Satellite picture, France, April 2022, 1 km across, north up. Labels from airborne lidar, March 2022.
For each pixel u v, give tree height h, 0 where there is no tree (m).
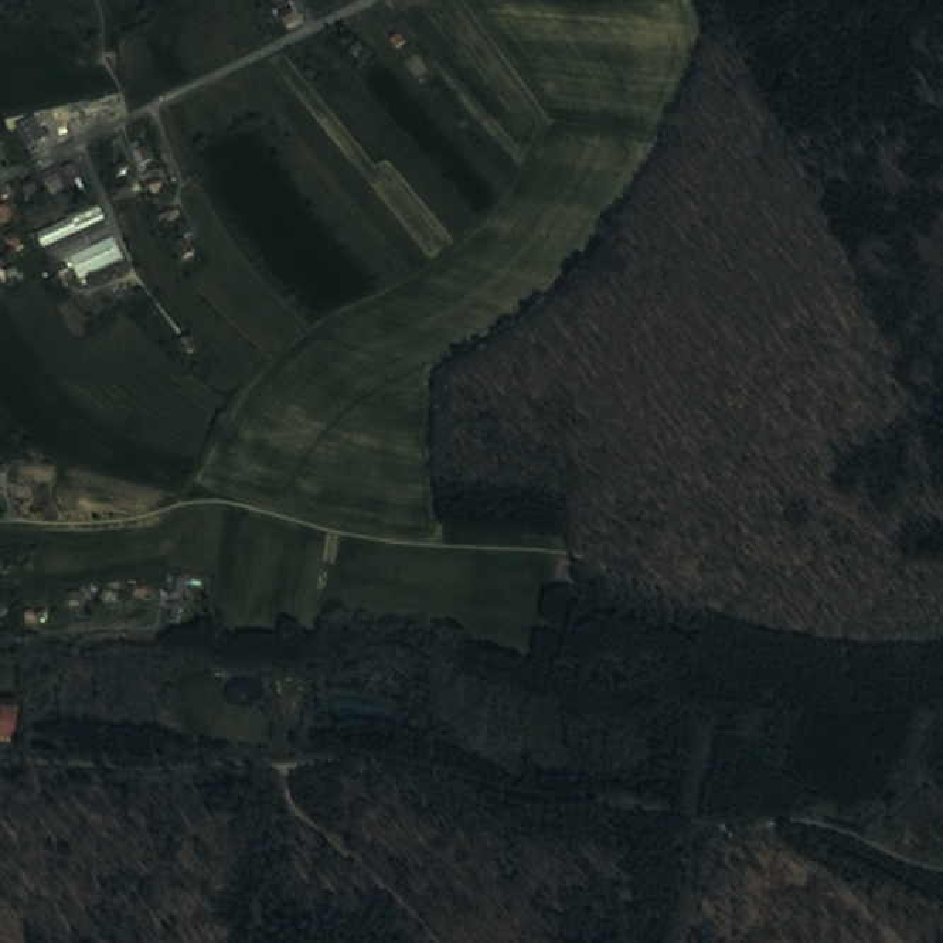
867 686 20
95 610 0
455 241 0
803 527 29
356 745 25
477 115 0
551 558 0
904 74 25
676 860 28
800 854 10
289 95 0
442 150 0
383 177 0
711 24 28
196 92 0
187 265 0
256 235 0
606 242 18
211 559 0
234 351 0
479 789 15
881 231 18
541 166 0
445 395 24
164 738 23
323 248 0
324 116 0
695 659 25
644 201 26
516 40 0
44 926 27
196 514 0
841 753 21
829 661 18
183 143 0
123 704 20
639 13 0
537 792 25
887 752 21
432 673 22
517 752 22
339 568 0
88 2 0
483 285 0
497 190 0
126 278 0
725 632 22
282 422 0
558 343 25
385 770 21
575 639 27
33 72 0
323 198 0
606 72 0
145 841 26
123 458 0
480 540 0
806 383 28
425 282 0
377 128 0
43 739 25
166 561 0
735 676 23
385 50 0
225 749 13
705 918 23
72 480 0
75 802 28
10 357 0
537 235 0
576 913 19
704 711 24
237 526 0
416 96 0
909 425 23
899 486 27
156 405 0
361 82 0
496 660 30
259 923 29
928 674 19
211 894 32
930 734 20
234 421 0
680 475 28
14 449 0
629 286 30
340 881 31
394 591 0
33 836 31
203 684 0
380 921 33
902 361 18
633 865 15
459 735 20
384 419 0
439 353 0
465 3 0
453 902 22
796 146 19
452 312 0
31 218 0
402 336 0
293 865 27
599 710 25
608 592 24
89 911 26
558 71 0
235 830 15
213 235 0
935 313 22
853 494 35
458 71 0
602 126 0
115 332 0
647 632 27
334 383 0
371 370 0
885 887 24
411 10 0
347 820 20
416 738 30
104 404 0
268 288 0
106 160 0
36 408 0
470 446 26
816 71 26
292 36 0
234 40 0
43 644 17
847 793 22
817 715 23
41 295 0
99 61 0
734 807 30
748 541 27
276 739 17
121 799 26
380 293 0
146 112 0
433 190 0
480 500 25
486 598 0
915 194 18
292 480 0
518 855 25
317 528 0
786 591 23
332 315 0
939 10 24
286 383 0
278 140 0
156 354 0
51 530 0
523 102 0
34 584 0
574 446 28
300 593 0
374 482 0
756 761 26
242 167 0
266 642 23
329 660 24
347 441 0
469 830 23
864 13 23
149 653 19
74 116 0
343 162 0
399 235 0
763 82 24
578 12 0
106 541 0
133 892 26
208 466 0
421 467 0
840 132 18
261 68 0
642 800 23
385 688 21
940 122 22
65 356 0
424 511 0
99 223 0
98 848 29
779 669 19
